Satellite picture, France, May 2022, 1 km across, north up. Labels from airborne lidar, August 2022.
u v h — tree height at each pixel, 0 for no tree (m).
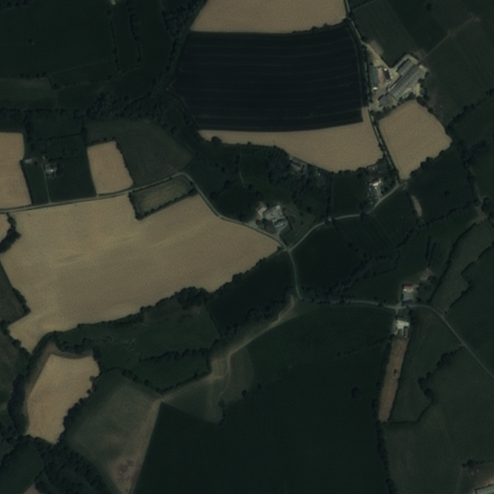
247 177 0
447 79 0
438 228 0
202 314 0
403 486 0
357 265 0
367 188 0
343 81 0
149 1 0
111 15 12
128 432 0
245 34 0
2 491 0
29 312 12
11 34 0
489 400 0
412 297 0
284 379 0
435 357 0
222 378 0
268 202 0
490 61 0
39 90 0
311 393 0
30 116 14
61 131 0
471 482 0
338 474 0
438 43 0
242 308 0
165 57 0
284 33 0
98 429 0
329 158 0
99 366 9
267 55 0
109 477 0
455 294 0
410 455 0
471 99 0
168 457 0
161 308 10
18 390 30
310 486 0
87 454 0
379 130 7
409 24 0
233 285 9
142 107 13
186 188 0
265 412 0
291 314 0
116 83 0
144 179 0
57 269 0
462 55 0
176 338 0
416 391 0
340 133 0
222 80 0
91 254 0
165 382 0
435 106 0
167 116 0
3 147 0
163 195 0
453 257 8
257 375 0
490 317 0
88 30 0
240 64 0
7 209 0
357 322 0
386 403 0
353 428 0
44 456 14
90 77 0
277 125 0
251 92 0
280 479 0
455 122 13
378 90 0
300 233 0
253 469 0
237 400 0
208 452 0
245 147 8
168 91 0
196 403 0
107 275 0
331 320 0
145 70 0
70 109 0
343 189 0
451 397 0
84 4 0
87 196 0
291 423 0
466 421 0
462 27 0
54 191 0
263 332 0
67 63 0
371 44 0
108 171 0
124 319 0
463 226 0
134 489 0
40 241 0
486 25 0
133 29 13
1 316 0
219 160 0
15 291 13
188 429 0
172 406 0
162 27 0
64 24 0
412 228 0
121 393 0
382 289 0
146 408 0
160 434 0
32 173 0
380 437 9
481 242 0
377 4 0
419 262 0
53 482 14
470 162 25
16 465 0
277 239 0
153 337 0
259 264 8
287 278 0
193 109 0
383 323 0
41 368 0
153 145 0
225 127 0
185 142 0
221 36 0
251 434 0
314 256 0
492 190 0
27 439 14
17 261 0
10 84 0
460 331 0
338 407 0
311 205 0
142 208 0
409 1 0
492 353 0
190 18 22
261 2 0
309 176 7
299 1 0
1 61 0
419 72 0
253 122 0
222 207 0
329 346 0
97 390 19
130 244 0
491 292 0
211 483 0
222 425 6
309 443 0
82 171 0
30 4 11
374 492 0
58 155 0
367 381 0
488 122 0
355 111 0
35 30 0
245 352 0
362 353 0
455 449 0
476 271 0
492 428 0
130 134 0
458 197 0
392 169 9
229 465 0
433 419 0
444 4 0
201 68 0
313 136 0
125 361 0
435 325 0
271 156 6
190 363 0
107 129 0
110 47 0
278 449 0
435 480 0
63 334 0
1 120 6
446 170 0
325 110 0
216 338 0
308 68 0
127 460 0
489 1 0
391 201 0
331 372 0
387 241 0
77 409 15
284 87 0
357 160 0
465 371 0
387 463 11
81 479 0
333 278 0
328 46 0
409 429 0
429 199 0
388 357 7
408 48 0
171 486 0
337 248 0
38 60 0
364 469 0
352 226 0
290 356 0
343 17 0
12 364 0
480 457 0
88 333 0
